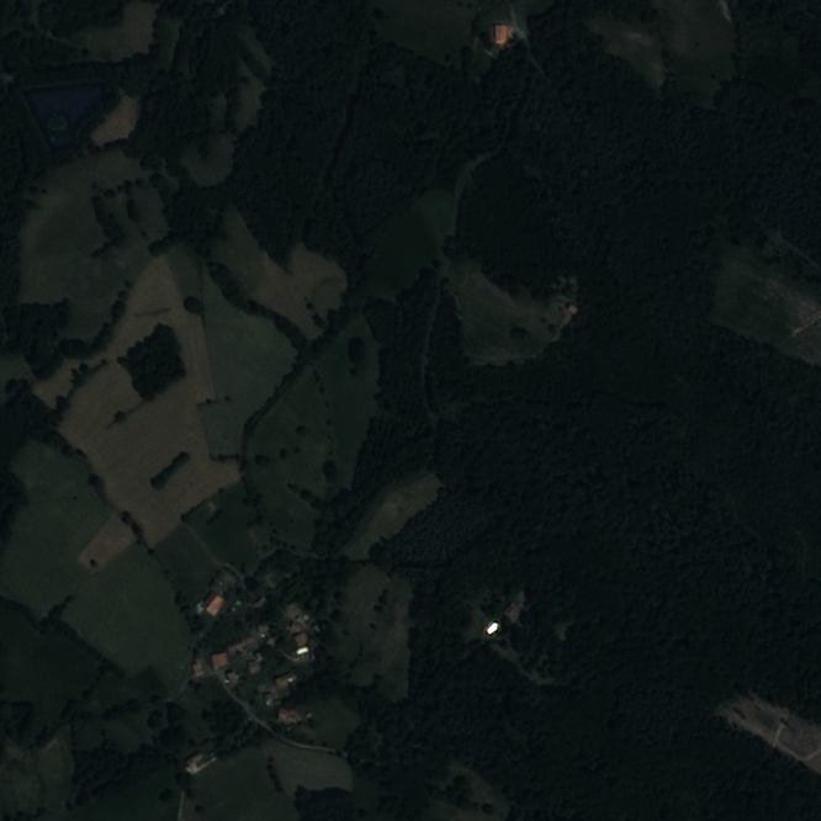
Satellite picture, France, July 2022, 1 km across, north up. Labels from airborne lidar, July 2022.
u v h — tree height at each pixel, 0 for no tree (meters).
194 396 0
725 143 19
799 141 19
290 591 10
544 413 19
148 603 0
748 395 20
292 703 8
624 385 7
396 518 0
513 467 27
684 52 0
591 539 23
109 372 0
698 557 22
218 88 12
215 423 0
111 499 0
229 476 0
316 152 19
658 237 21
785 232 35
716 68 0
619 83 20
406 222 0
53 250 0
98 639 0
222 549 0
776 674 27
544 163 21
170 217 13
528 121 23
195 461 0
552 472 21
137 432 0
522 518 20
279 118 22
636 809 25
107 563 0
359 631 0
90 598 0
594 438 23
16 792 0
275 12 32
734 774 20
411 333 27
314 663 6
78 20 14
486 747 29
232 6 12
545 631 22
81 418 0
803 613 25
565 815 30
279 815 0
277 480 0
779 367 28
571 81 16
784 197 41
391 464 16
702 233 21
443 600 20
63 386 0
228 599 6
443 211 0
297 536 0
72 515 0
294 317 0
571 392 9
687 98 12
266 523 10
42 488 0
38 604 0
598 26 0
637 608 19
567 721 27
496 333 0
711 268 21
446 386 11
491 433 18
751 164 23
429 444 11
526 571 27
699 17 0
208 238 16
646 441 21
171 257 0
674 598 18
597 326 8
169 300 0
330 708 0
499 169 10
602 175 20
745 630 20
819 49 10
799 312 0
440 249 0
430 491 0
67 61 13
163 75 25
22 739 16
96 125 15
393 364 24
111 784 24
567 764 27
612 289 10
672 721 26
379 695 12
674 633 23
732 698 28
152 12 0
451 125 9
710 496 29
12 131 11
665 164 21
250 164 18
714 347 21
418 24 0
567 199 24
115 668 12
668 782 23
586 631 23
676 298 19
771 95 20
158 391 18
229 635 0
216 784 0
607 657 24
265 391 0
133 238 0
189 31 14
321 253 10
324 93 26
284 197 9
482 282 0
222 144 0
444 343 9
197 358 0
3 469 16
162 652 0
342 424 0
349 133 17
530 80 21
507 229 9
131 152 14
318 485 0
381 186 30
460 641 13
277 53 18
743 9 18
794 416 22
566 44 11
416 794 19
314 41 21
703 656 23
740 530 21
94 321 0
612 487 25
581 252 19
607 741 29
